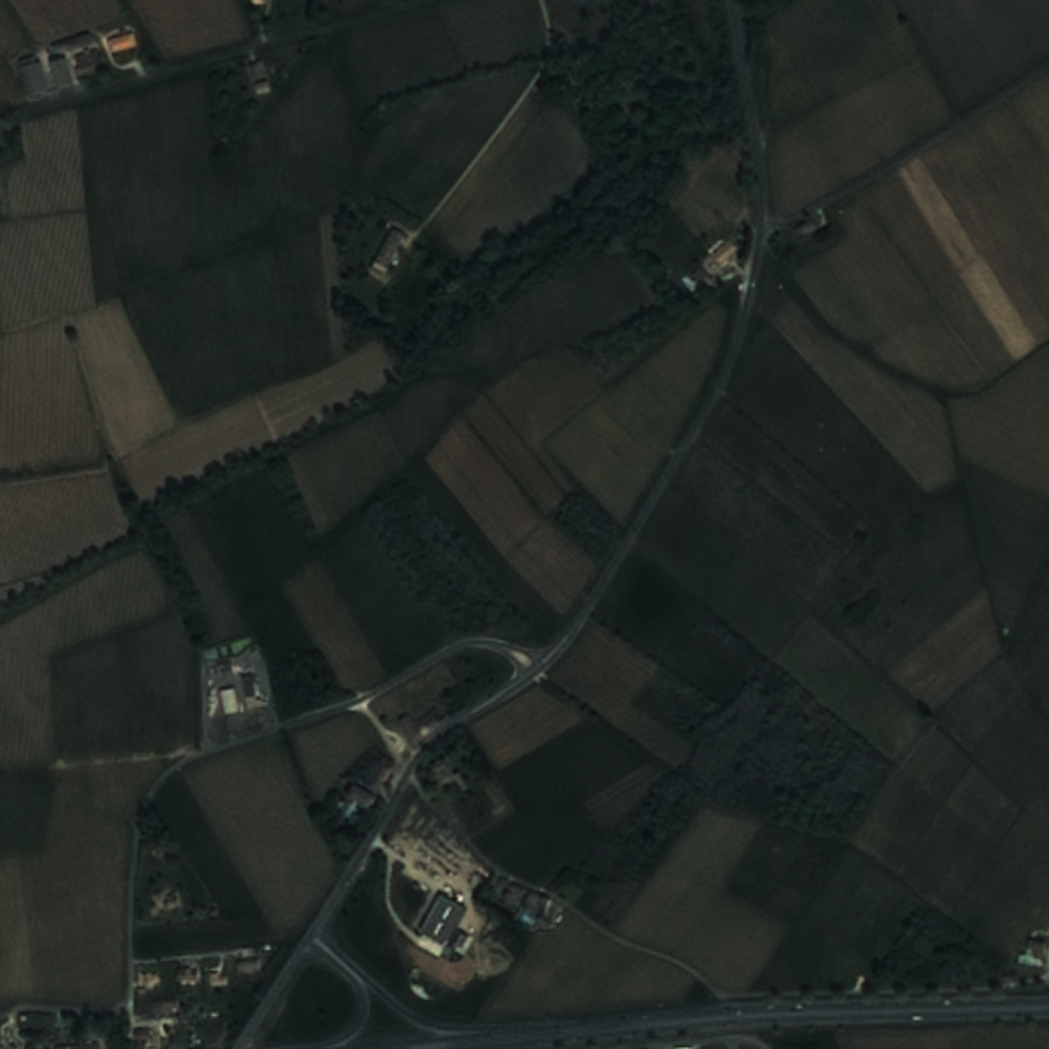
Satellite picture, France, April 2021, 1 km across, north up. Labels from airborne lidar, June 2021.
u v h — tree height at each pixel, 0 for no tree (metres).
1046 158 0
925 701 0
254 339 0
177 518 0
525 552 0
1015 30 0
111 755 0
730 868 0
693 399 0
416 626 0
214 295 0
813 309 0
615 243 15
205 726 0
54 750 0
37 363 0
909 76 0
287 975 0
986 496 0
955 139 0
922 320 0
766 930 0
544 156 0
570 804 0
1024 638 0
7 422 0
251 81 6
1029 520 0
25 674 0
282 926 0
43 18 0
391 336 6
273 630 0
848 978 0
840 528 0
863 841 0
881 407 0
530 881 0
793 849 0
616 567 0
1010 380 0
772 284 0
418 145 0
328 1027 0
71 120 0
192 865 0
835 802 16
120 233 0
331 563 0
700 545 0
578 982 0
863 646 0
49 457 0
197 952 0
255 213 0
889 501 0
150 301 0
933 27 0
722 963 0
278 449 11
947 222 0
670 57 15
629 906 0
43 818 0
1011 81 0
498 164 0
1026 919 0
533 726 0
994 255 0
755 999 0
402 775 0
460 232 0
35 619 0
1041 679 0
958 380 0
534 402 0
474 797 6
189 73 0
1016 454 0
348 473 0
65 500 0
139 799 0
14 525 0
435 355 16
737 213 0
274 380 0
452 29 0
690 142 20
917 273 0
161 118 0
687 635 0
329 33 0
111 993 0
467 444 0
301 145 0
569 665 0
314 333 0
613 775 0
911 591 0
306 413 0
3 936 0
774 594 0
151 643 0
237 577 0
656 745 0
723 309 0
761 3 23
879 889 0
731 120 17
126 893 0
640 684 0
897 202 0
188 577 10
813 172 0
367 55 0
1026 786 0
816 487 0
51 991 0
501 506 0
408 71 0
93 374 0
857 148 0
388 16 0
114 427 0
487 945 0
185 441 0
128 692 0
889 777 11
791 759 11
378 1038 0
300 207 0
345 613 0
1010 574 0
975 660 0
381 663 0
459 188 0
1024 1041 0
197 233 0
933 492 0
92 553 10
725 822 0
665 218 16
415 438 0
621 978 0
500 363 0
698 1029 0
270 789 0
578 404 0
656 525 0
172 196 0
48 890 0
